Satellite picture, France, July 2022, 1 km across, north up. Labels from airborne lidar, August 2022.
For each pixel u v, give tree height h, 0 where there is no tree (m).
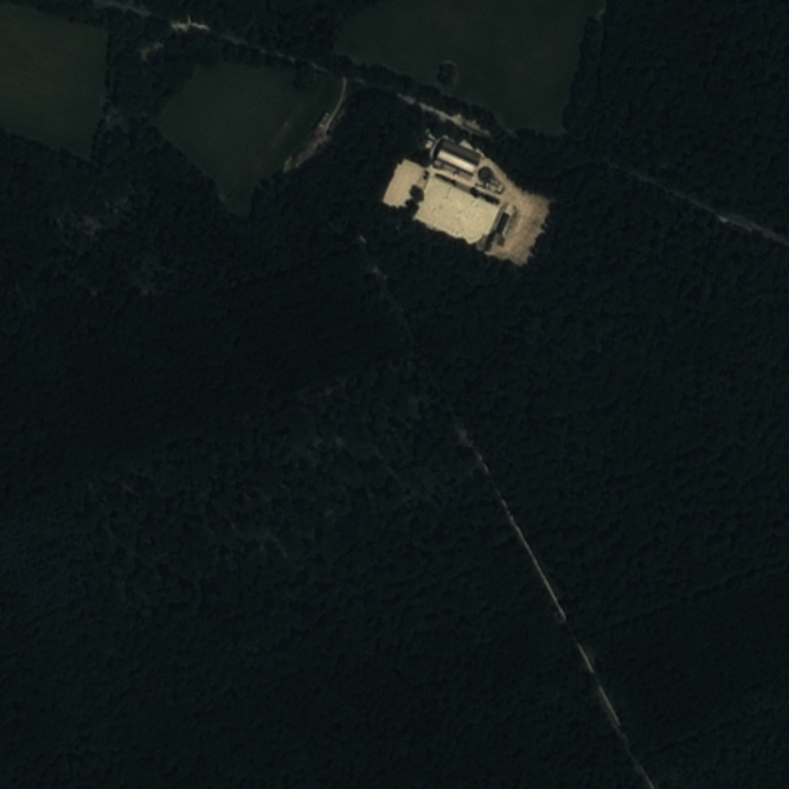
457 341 30
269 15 26
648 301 25
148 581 29
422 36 0
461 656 24
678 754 19
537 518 20
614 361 25
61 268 17
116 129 0
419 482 21
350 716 29
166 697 25
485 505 26
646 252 12
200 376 26
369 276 21
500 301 25
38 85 0
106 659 18
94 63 0
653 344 12
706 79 26
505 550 24
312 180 25
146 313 25
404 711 31
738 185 23
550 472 25
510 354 24
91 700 22
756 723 18
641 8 27
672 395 26
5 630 25
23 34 0
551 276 28
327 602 23
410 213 12
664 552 25
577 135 22
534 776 30
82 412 30
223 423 26
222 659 25
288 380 23
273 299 23
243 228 20
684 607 21
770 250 26
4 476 30
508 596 22
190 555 28
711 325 27
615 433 28
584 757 22
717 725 15
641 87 26
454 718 23
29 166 29
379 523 25
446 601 23
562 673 28
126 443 25
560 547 29
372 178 23
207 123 0
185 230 24
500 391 16
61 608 22
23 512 24
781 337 23
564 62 0
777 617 24
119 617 25
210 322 26
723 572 24
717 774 21
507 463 24
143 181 24
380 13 0
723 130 17
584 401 26
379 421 26
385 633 27
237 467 19
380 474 28
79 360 29
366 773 25
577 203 26
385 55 0
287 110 0
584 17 0
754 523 27
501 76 0
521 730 29
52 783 26
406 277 25
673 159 24
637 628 21
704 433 23
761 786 20
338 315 22
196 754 28
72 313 28
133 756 29
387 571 25
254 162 0
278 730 33
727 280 25
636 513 27
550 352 28
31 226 27
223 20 25
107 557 23
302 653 30
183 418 28
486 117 21
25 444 26
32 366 31
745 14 27
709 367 25
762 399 21
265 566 24
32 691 30
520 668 25
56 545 22
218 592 29
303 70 20
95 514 24
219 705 27
